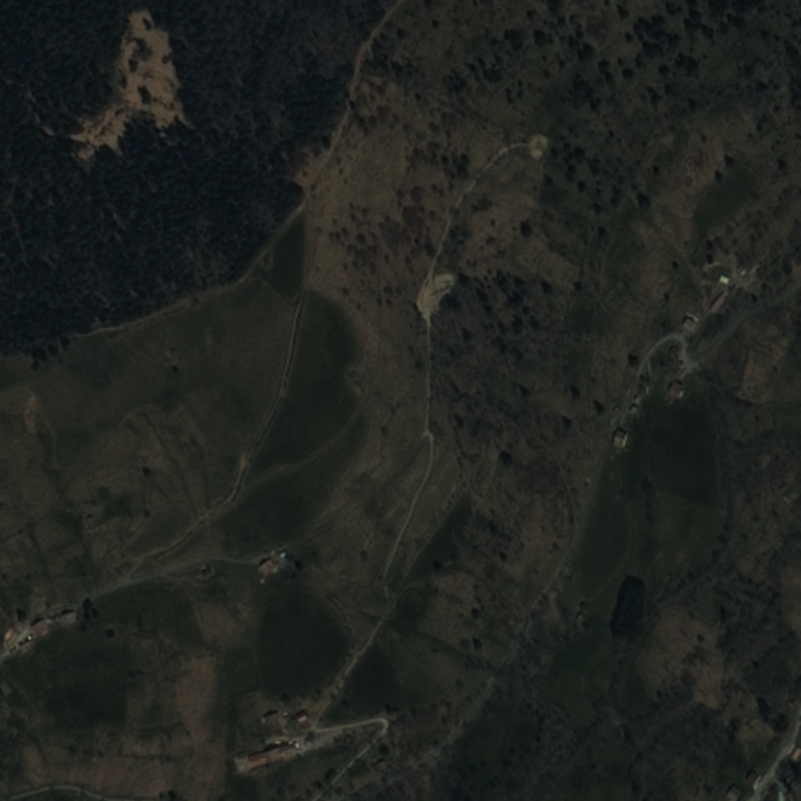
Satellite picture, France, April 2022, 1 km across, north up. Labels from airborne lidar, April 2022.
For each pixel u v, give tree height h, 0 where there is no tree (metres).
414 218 13
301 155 11
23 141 28
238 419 0
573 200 0
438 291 0
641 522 0
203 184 27
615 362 9
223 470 0
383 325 0
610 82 10
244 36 22
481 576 0
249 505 0
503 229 0
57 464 0
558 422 10
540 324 20
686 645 0
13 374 0
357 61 12
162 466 0
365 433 0
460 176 9
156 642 0
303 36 20
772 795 0
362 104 9
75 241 18
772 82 10
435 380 12
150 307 16
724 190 0
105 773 0
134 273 27
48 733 0
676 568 0
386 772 6
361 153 0
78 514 0
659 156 0
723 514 0
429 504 0
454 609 0
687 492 0
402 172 0
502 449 8
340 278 0
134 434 0
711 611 0
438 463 0
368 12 20
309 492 0
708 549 0
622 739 15
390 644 0
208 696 0
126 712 0
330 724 0
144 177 8
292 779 0
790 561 7
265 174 9
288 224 0
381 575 0
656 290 0
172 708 0
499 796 25
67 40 23
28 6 31
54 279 23
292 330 0
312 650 0
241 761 0
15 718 0
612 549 0
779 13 6
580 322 0
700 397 0
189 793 0
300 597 0
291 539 0
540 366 0
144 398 0
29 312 21
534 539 0
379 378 0
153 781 0
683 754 15
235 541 0
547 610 21
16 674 0
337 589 0
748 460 18
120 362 0
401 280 0
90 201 25
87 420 0
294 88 21
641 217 0
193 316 0
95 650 0
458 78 13
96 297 22
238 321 0
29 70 16
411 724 14
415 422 0
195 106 29
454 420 11
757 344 0
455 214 13
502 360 12
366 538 0
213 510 0
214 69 25
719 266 0
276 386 0
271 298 0
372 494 0
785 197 11
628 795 0
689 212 0
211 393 0
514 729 0
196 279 22
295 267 0
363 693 0
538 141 0
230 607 0
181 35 21
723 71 0
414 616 0
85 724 0
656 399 0
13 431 0
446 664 0
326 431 0
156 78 0
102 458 0
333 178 0
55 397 0
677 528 0
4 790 0
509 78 6
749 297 19
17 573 0
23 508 0
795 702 7
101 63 23
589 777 0
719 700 0
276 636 0
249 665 0
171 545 0
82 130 0
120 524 0
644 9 0
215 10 25
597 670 0
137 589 0
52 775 0
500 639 0
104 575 0
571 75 0
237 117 26
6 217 11
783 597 6
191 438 0
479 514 6
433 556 0
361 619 0
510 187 0
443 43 0
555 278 0
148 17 0
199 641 0
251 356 0
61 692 0
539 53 0
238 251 21
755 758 0
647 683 0
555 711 7
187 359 0
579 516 0
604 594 0
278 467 0
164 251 15
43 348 9
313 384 0
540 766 23
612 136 9
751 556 0
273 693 0
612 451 0
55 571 0
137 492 0
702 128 0
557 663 0
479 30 0
